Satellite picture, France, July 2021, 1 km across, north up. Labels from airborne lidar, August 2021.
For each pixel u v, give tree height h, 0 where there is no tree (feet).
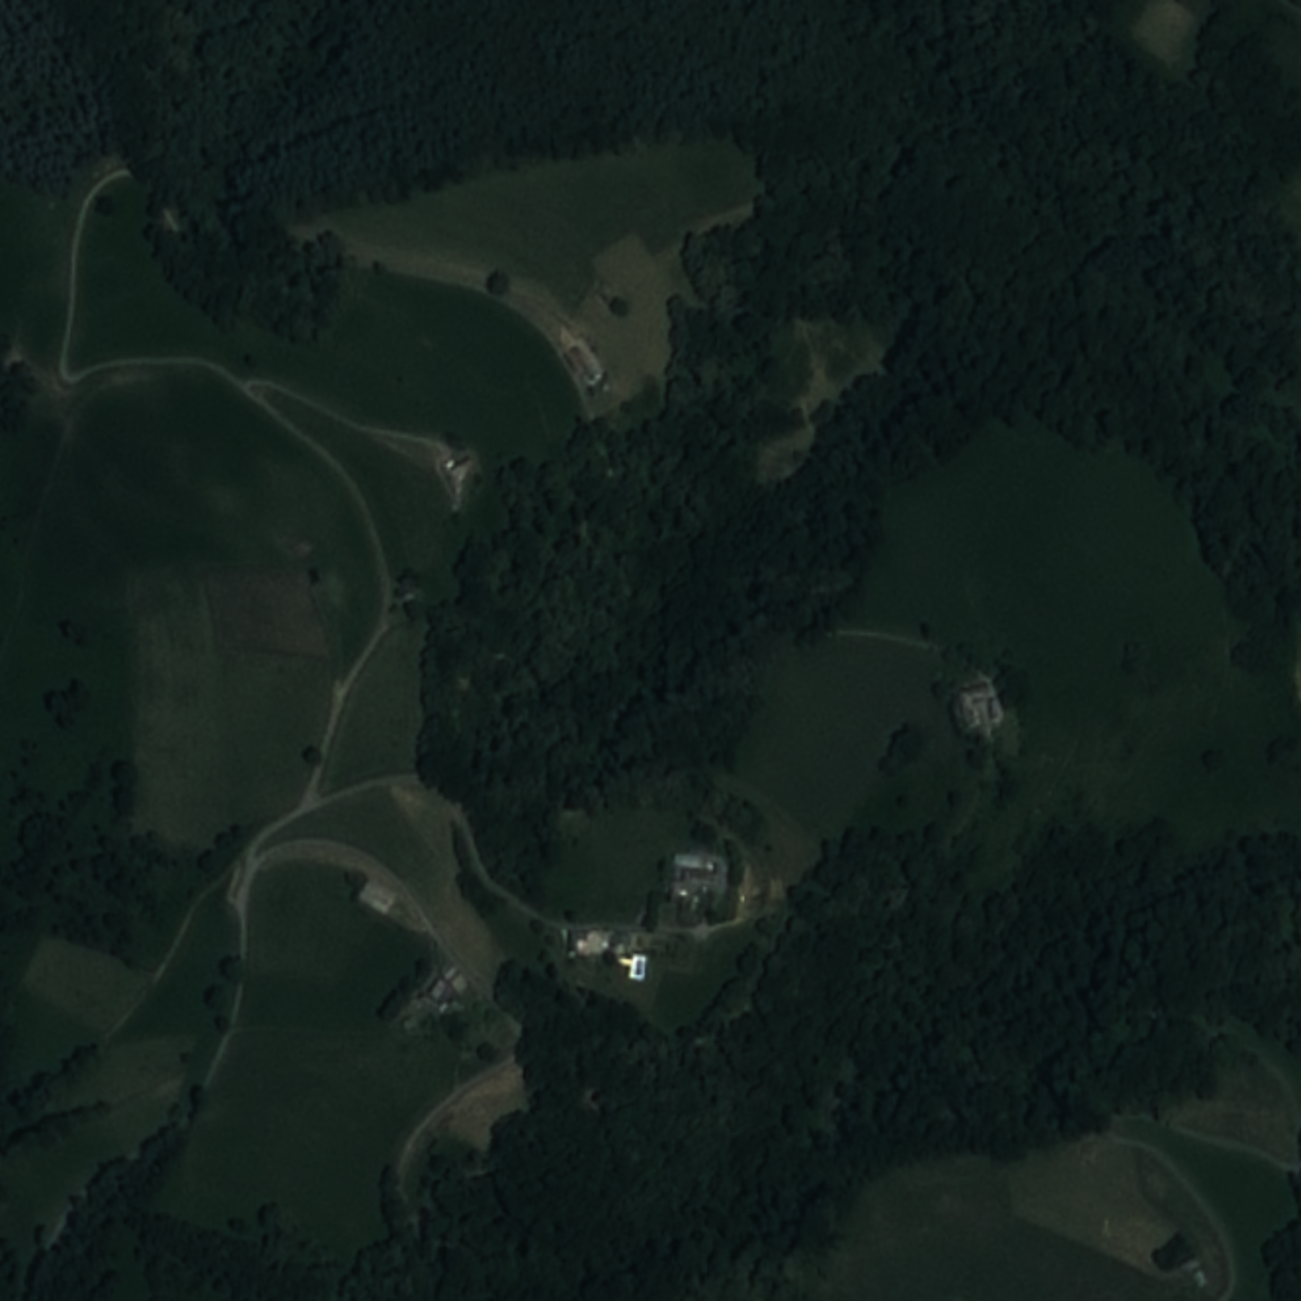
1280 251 70
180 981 0
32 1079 0
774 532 104
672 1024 0
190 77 71
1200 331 36
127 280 0
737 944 0
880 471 79
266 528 0
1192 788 0
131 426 0
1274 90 26
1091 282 105
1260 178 69
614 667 75
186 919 0
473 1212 107
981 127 44
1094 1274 0
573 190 0
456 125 77
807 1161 102
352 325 0
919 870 91
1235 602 28
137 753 0
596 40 84
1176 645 0
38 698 0
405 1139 0
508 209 0
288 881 0
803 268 72
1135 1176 0
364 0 77
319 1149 0
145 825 0
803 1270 73
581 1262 113
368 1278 82
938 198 88
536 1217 105
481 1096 0
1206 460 37
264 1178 0
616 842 0
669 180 0
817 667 0
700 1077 90
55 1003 0
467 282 0
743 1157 91
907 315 31
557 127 73
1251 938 85
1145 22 0
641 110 95
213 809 0
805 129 75
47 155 75
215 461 0
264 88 91
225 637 0
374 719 0
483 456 0
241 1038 0
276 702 0
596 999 68
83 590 0
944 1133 80
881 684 0
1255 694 0
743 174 0
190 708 0
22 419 36
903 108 62
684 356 52
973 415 101
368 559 0
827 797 0
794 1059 79
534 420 0
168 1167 61
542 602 67
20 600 0
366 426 0
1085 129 108
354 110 77
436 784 68
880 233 104
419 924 0
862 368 0
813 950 103
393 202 41
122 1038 0
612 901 0
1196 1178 0
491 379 0
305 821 0
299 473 0
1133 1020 76
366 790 0
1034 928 91
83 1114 42
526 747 73
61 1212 0
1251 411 91
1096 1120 94
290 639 0
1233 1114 0
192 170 81
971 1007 128
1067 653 0
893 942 58
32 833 49
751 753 0
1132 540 0
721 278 101
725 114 98
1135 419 37
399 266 0
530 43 65
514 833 50
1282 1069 0
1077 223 48
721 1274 107
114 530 0
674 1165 94
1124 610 0
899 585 0
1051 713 0
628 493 73
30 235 0
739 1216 57
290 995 0
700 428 114
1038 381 93
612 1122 92
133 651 0
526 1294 102
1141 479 0
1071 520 0
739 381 81
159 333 0
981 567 0
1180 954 103
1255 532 26
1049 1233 0
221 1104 0
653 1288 103
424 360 0
